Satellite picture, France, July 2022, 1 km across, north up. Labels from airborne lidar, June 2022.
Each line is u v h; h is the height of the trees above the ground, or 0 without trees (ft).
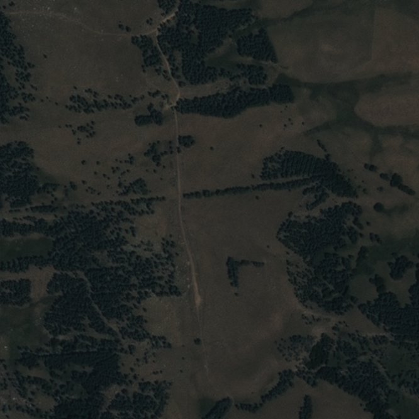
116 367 50
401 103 0
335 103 0
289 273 51
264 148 0
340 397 0
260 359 0
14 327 0
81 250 18
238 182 0
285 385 61
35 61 0
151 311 0
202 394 0
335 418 0
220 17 76
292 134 0
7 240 0
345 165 0
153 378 0
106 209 51
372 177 0
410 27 0
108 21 0
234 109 68
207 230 0
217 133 0
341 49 0
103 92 0
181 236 0
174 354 0
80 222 73
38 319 0
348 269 55
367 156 0
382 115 0
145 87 0
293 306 0
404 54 0
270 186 52
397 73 0
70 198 0
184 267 0
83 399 55
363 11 0
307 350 27
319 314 0
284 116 0
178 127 0
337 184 46
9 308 0
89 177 0
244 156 0
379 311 69
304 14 0
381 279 48
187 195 49
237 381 0
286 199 0
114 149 0
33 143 0
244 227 0
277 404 0
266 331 0
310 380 64
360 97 0
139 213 54
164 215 0
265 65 0
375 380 74
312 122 0
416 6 0
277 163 60
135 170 0
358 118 0
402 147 0
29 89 0
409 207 0
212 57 0
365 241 0
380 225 0
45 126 0
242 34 0
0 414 0
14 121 0
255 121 0
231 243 0
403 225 0
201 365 0
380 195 0
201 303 0
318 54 0
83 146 0
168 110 0
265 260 0
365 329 0
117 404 66
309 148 0
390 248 0
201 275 0
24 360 52
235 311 0
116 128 0
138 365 22
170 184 0
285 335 0
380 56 0
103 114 0
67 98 0
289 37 0
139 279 58
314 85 0
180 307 0
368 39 0
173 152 34
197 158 0
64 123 0
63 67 0
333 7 0
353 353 68
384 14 0
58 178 0
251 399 0
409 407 0
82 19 0
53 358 67
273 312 0
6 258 0
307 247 53
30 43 0
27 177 66
